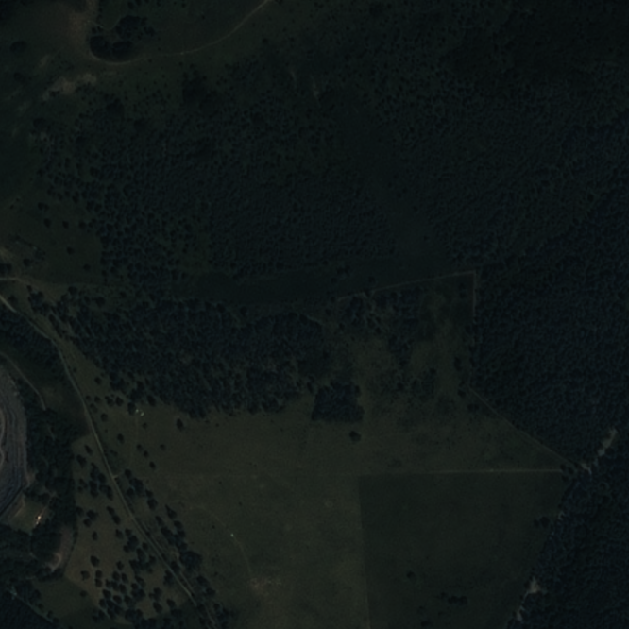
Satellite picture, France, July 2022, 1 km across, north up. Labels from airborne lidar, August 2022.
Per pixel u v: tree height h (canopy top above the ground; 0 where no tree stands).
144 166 11
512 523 0
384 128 9
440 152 10
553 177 14
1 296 0
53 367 10
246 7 0
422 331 0
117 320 21
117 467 0
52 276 0
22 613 19
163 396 19
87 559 0
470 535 0
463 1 12
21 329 20
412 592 0
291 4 0
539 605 16
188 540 0
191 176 11
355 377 0
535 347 24
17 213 0
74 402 0
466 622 0
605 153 24
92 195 15
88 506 0
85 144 14
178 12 0
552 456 0
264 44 9
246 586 0
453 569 0
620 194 23
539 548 0
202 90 11
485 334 16
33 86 0
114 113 14
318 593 0
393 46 10
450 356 0
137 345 18
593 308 21
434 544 0
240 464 0
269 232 11
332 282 10
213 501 0
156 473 0
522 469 0
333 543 0
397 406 0
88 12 0
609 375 26
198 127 10
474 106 7
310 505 0
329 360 17
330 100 13
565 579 18
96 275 0
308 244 9
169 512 9
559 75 14
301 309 6
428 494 0
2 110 0
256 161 11
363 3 0
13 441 0
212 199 12
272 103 9
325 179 8
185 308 14
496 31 6
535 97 10
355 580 0
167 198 12
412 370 0
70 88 0
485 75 10
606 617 19
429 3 11
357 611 0
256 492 0
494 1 9
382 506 0
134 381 16
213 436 0
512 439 0
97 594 0
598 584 22
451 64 13
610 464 28
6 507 0
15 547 13
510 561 0
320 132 10
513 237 14
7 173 0
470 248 16
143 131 16
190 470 0
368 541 0
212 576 0
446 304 0
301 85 6
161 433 0
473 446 0
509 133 8
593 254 23
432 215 6
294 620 0
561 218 10
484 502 0
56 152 7
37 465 11
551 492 0
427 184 9
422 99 8
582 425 25
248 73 8
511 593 0
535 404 20
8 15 9
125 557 0
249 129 11
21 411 0
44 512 0
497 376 13
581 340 28
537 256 20
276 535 0
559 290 26
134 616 17
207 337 20
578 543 19
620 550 25
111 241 14
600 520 21
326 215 8
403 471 0
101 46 14
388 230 9
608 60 8
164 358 20
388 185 7
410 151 8
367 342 0
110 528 0
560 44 17
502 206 13
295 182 6
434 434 0
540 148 9
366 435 0
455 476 0
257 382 25
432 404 0
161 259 11
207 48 0
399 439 0
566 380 24
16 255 0
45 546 15
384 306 24
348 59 15
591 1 22
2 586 16
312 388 19
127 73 0
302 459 0
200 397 24
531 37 21
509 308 14
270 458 0
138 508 0
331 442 0
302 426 0
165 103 8
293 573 0
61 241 0
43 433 7
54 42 0
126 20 8
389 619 0
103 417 6
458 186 10
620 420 17
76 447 0
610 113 10
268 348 24
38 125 14
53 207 0
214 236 9
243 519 0
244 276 15
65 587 0
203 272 0
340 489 0
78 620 0
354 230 8
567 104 10
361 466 0
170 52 0
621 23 25
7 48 0
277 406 18
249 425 0
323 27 0
